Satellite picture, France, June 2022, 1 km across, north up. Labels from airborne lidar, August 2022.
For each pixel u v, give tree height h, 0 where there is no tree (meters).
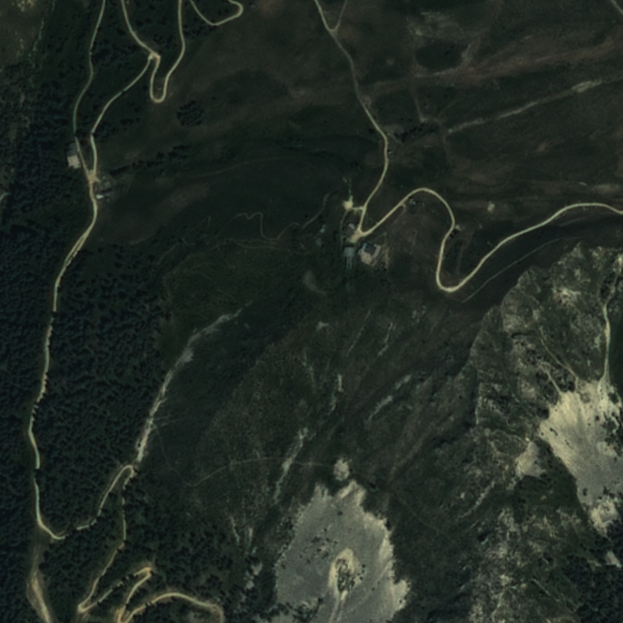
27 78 10
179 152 11
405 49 0
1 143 12
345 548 0
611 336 0
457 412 0
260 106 0
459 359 0
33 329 28
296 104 0
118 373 20
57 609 10
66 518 18
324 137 0
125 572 10
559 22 0
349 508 0
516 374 7
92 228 0
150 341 24
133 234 0
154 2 7
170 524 10
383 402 0
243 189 0
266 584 6
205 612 6
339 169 0
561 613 0
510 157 0
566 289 0
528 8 0
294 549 0
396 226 0
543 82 0
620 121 0
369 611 0
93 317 26
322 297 0
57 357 25
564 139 0
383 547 0
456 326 0
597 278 0
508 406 9
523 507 9
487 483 6
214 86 0
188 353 0
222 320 0
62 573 23
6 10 0
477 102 0
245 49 0
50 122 7
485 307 0
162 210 0
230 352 0
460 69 0
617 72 0
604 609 25
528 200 0
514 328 0
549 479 10
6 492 28
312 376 0
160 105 0
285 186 0
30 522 29
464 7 0
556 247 0
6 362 30
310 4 0
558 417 0
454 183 0
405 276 0
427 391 0
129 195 0
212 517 8
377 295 0
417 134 20
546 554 7
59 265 9
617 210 0
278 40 0
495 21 0
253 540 7
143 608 0
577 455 0
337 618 0
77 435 26
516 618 7
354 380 0
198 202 0
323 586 0
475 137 0
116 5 17
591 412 0
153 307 24
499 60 0
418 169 0
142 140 0
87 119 11
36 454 0
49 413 22
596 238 0
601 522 0
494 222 0
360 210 0
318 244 0
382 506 0
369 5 0
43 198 10
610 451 0
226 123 0
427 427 0
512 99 0
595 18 0
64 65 8
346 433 25
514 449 0
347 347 0
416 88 0
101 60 23
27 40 0
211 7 0
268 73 0
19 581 30
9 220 21
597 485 0
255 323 0
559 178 0
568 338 10
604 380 0
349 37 0
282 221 0
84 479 24
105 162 0
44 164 25
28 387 25
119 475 0
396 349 0
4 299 27
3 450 29
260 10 0
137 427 27
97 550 26
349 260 8
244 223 0
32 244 19
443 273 0
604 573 8
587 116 0
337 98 0
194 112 16
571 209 0
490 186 0
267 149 0
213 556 22
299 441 0
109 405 23
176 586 10
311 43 0
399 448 0
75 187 18
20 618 25
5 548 9
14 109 12
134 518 30
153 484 14
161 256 0
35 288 18
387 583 0
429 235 0
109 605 11
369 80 0
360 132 0
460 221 0
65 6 0
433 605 0
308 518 0
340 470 0
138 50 24
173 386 0
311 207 0
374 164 0
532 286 0
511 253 0
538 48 0
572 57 0
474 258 0
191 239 0
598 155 0
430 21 0
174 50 10
